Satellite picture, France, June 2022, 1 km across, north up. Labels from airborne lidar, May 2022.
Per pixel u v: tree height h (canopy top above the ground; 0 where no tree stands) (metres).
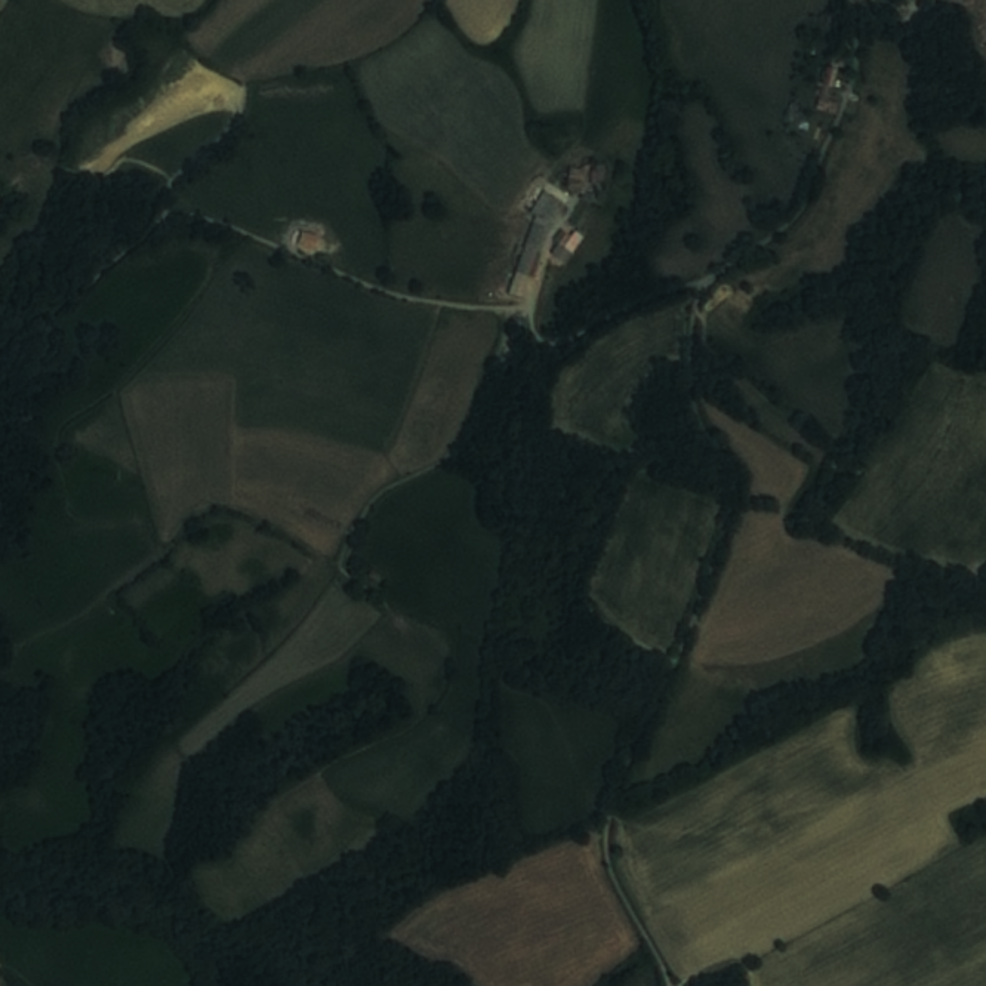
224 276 0
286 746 7
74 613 0
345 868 19
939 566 19
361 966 14
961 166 8
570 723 0
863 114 0
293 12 0
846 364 0
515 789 11
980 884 0
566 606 9
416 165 0
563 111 0
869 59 7
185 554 0
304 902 20
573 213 0
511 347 17
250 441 0
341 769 0
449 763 0
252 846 0
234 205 0
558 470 23
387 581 7
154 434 0
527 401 29
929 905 0
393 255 0
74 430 0
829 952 0
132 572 0
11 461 25
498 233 0
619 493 12
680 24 0
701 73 0
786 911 0
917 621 29
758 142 0
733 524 16
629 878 0
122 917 13
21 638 0
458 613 0
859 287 32
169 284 0
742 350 0
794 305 10
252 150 0
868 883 0
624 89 0
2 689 12
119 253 18
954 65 28
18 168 0
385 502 0
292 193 0
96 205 23
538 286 0
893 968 0
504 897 0
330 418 0
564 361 15
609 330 16
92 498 0
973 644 0
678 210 16
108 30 0
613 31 0
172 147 0
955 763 0
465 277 0
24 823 0
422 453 0
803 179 14
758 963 14
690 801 0
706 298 13
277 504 0
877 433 22
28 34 0
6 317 23
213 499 0
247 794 21
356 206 0
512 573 9
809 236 0
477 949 0
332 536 0
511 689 7
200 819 28
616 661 18
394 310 0
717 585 12
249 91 0
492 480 29
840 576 0
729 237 0
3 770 16
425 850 11
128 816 0
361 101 7
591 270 19
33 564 0
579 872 0
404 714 15
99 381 0
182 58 0
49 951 0
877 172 0
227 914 0
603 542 12
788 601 0
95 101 18
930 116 28
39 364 20
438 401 0
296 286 0
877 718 21
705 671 0
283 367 0
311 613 0
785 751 0
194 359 0
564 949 0
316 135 0
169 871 14
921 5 21
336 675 0
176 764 0
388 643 0
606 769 12
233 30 0
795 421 14
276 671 0
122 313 0
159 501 0
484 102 0
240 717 12
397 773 0
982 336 20
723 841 0
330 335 0
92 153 0
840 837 0
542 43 0
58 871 19
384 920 11
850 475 14
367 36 0
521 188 0
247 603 9
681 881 0
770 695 22
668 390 9
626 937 0
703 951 0
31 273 19
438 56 0
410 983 8
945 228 0
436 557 0
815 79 6
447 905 0
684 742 0
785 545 0
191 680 16
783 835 0
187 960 7
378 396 0
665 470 22
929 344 23
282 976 22
